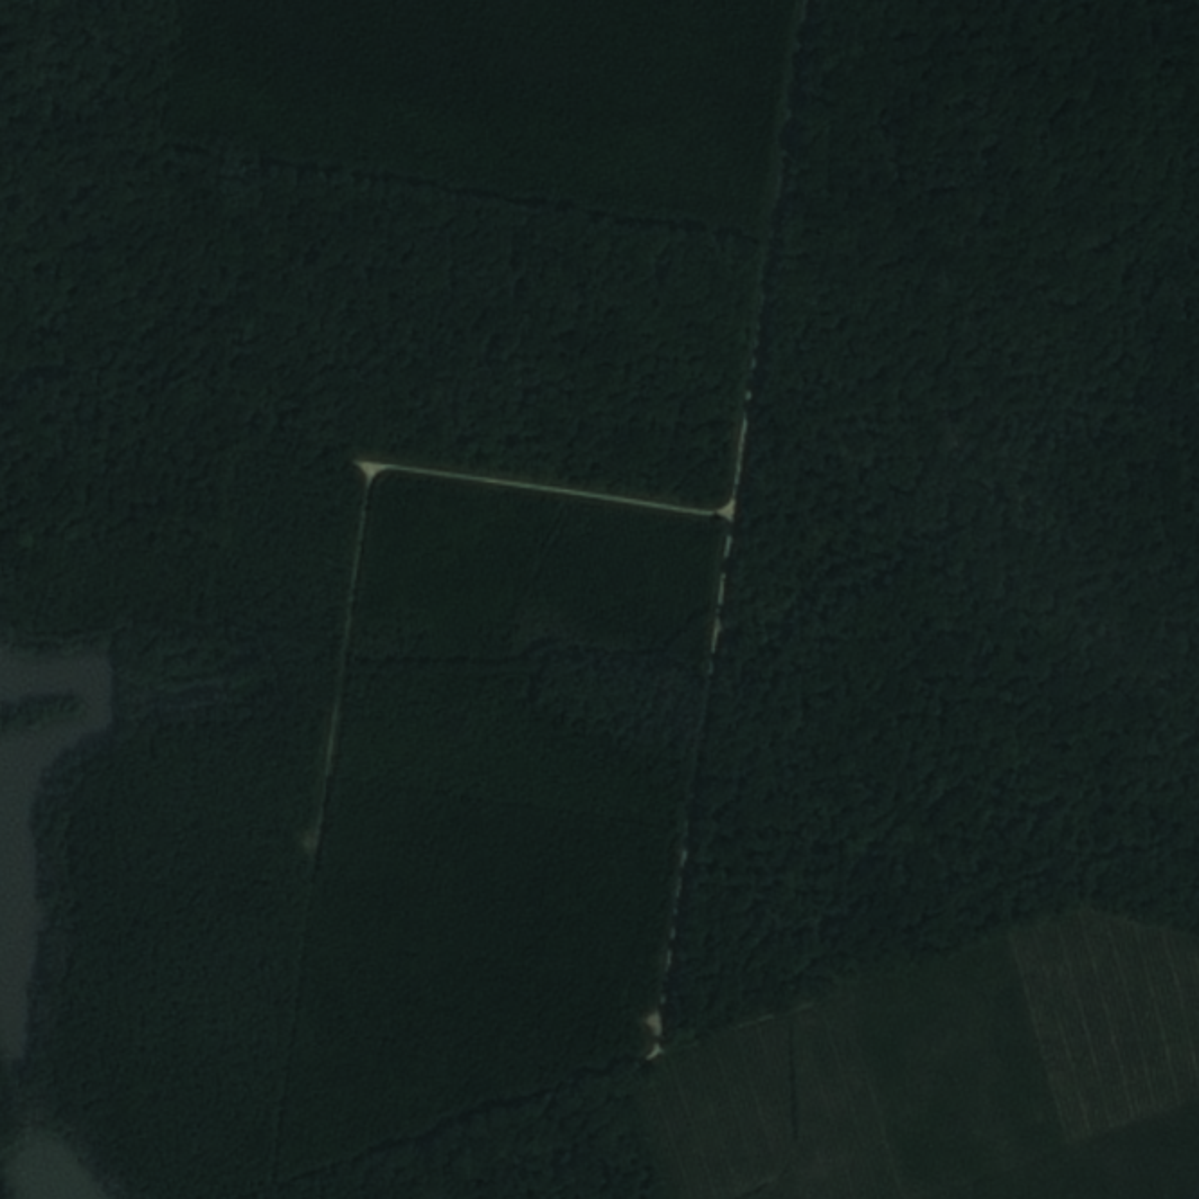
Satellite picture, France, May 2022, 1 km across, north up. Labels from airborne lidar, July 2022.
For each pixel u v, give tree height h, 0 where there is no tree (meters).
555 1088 9
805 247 19
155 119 19
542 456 19
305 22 10
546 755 8
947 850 25
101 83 23
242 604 18
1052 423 29
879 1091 0
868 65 25
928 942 22
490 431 24
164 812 13
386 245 19
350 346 20
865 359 27
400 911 11
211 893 13
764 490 19
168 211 21
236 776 12
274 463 14
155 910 16
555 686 19
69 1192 0
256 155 11
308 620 17
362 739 8
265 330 25
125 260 23
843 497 28
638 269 25
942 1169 0
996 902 26
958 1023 0
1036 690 28
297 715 17
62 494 26
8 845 0
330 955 12
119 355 22
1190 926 26
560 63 8
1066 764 22
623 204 8
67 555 17
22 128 27
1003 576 17
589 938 10
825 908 20
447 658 6
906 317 21
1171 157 24
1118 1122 0
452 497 7
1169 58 20
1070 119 25
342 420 23
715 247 22
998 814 23
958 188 21
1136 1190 0
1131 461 22
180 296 26
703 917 24
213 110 9
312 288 24
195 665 18
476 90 11
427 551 7
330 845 10
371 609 8
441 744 8
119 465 25
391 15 10
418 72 9
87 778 24
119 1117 17
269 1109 15
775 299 20
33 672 0
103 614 17
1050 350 25
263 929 15
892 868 28
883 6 26
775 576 24
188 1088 14
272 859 14
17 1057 0
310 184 25
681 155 8
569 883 11
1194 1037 0
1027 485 25
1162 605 22
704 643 11
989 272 24
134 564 18
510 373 22
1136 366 26
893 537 27
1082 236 27
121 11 23
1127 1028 0
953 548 24
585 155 10
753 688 28
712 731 20
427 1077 11
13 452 28
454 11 10
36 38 26
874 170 24
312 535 15
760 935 25
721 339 24
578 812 8
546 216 21
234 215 24
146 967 17
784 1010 22
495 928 11
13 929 0
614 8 9
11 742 0
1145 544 23
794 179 20
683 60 9
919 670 29
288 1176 12
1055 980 0
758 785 27
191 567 17
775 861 17
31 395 33
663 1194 26
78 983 15
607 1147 27
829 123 22
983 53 25
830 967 23
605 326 23
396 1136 12
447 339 25
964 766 27
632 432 30
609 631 7
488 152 9
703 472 25
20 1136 15
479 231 23
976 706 25
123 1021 15
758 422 23
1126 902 17
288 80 9
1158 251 28
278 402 21
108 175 22
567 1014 13
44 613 18
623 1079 23
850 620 25
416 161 11
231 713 13
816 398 23
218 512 26
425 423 22
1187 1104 0
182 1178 15
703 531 6
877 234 24
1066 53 23
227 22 9
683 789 16
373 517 7
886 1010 0
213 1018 14
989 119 22
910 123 29
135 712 20
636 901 10
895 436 21
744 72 8
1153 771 26
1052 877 21
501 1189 25
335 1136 12
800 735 28
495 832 11
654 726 25
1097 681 28
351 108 8
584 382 26
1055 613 21
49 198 26
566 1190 27
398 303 25
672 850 10
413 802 12
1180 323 24
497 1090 13
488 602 7
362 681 7
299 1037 12
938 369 26
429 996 13
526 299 24
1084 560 21
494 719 7
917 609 23
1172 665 28
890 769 28
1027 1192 0
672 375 26
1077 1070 0
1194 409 30
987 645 25
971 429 26
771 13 9
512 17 10
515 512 7
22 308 26
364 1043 12
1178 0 30
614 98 10
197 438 26
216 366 29
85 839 16
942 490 24
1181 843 31
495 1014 14
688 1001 30
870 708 27
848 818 30
